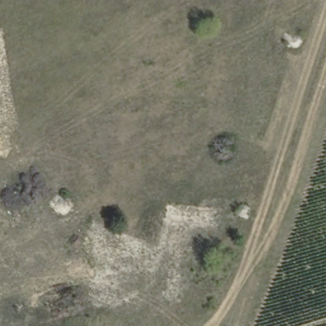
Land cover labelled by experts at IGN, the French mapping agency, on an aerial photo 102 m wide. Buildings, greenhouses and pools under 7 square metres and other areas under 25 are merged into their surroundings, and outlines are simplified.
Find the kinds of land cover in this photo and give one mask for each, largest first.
<instances>
[{"label":"herbaceous vegetation","instance_id":"1","mask_svg":"<svg viewBox=\"0 0 326 326\"><path fill-rule=\"evenodd\" d=\"M322 6L318 0H0V326H204L222 304L230 285L228 281H223L218 287L211 281L213 275L209 274L208 270H202L201 265H205V255L219 246L218 237L222 236L225 230L232 241H237L241 236L246 241L259 210L267 178L274 177L279 159L283 158L273 199L257 239L259 242L264 241L266 230L270 227L284 188L287 187L309 104L312 102L326 59V31L309 75L297 122L294 124L292 118H288L294 90L307 59L306 50L311 42L313 20L321 13ZM208 18L222 20V28L215 38L200 39V34L196 32L197 25L201 20ZM59 195L65 202L70 201L73 204L69 213H56L51 208L53 197ZM167 205L209 208V214L213 219L209 220V225L205 228L192 229L186 222L182 225H169L164 223ZM326 140V87L323 89L321 104L318 107L294 194L274 241L271 242L264 259L244 280L236 301L219 326H256L279 266L283 265L285 248L295 228V220L301 213L304 201L307 200L311 178L315 176Z\"/></svg>","mask_w":326,"mask_h":326},{"label":"vineyard","instance_id":"2","mask_svg":"<svg viewBox=\"0 0 326 326\"><path fill-rule=\"evenodd\" d=\"M307 200L304 201L301 213L295 220V228L285 248L283 265L279 266L256 326H326V140L315 176L311 178Z\"/></svg>","mask_w":326,"mask_h":326},{"label":"pervious surface","instance_id":"3","mask_svg":"<svg viewBox=\"0 0 326 326\"><path fill-rule=\"evenodd\" d=\"M322 6L321 13L313 20L311 42L306 50L307 59L294 90L288 118H292L294 124L297 122L309 75L326 31V0H318ZM326 87V59L312 102L309 104L287 187L284 188L270 227L266 230L264 241L259 242L257 239L273 199L283 158L279 159L274 177L267 178L259 210L246 241L236 278L230 285L222 304L204 326H219L236 301L244 280L264 259L271 242L274 241L294 194L318 107L321 104L323 89ZM51 208L56 213H69L73 204L70 201L65 202L59 195L53 197ZM213 219L209 214V208L167 205L164 223L169 225H182L186 222L192 229L205 228L209 225V220Z\"/></svg>","mask_w":326,"mask_h":326},{"label":"deciduous trees","instance_id":"4","mask_svg":"<svg viewBox=\"0 0 326 326\"><path fill-rule=\"evenodd\" d=\"M222 28V20L208 18L201 20L197 25L196 32L200 34V39L215 38ZM219 246L205 255V265H201L202 270H208L209 274L213 275L211 281L218 287L223 281H228L230 285L236 278L246 241L241 236L237 241H232L225 230L222 236L218 237Z\"/></svg>","mask_w":326,"mask_h":326}]
</instances>
